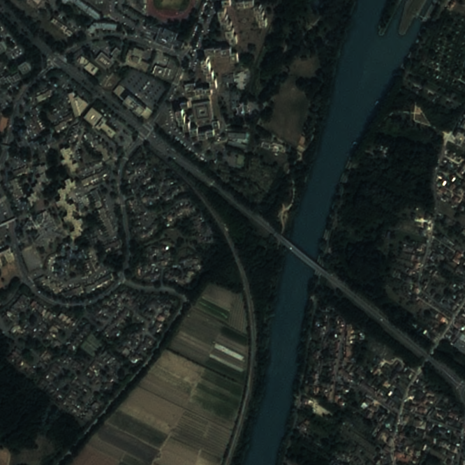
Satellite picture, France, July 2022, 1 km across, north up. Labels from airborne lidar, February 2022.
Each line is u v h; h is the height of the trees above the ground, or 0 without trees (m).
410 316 14
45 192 10
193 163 8
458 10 0
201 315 0
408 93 8
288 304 0
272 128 0
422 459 6
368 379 15
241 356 0
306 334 11
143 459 0
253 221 0
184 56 0
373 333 18
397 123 20
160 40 0
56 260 6
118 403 13
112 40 13
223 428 0
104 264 9
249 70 0
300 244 0
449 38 10
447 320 0
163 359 0
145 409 0
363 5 0
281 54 36
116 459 0
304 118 0
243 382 0
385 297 22
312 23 0
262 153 0
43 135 10
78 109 0
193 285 11
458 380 0
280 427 0
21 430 17
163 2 0
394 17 0
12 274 0
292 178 10
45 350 6
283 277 0
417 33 0
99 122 0
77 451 28
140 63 0
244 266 11
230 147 13
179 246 15
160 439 0
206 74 0
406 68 11
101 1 0
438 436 12
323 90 15
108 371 7
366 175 9
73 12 8
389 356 0
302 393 6
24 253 0
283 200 12
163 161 8
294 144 0
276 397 0
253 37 0
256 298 13
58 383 10
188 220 14
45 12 14
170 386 0
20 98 0
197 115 0
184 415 0
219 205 10
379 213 21
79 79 0
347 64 0
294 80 0
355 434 0
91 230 12
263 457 0
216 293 0
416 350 0
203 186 13
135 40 0
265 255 6
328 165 0
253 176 0
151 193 7
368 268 33
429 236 0
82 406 9
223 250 16
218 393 0
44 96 0
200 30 16
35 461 0
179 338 0
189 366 0
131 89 0
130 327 10
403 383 0
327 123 0
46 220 0
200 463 0
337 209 7
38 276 0
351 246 14
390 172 19
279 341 0
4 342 13
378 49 0
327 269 14
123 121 8
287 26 21
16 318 0
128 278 16
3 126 0
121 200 0
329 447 19
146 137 0
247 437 18
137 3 0
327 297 10
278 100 0
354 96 0
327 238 0
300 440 12
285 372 0
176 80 0
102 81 0
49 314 0
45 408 16
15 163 0
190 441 0
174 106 9
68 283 0
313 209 0
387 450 0
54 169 11
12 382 18
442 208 0
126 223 0
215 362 0
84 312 16
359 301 0
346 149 0
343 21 22
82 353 13
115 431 0
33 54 11
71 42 11
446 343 12
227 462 0
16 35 15
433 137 20
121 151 10
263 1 22
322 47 34
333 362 0
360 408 0
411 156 11
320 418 0
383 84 0
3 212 0
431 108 7
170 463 0
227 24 0
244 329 0
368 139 17
